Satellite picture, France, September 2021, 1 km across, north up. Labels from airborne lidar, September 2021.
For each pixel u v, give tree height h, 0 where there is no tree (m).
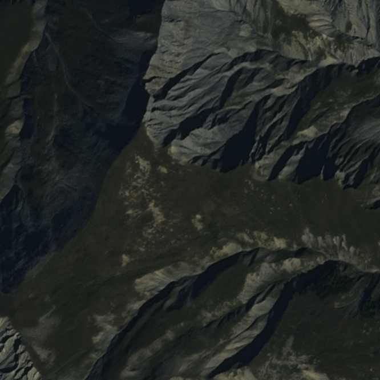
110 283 0
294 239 0
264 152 0
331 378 0
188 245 0
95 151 0
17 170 0
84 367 0
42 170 0
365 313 8
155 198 0
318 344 0
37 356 0
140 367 0
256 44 0
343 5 0
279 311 0
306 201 0
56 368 0
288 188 0
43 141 0
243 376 0
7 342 0
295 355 0
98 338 0
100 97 0
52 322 0
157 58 0
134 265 0
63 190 0
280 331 0
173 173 0
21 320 0
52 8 0
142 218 0
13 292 0
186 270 0
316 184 0
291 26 0
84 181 0
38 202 0
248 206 0
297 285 0
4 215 0
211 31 0
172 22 0
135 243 0
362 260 0
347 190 0
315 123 0
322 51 0
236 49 0
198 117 0
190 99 0
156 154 0
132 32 0
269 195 0
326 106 0
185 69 0
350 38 0
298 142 0
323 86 0
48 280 0
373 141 0
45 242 0
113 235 0
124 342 0
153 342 0
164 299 0
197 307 0
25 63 0
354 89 0
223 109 0
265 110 0
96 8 0
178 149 0
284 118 0
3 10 0
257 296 0
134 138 0
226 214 0
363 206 0
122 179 0
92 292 0
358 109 0
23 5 0
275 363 0
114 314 0
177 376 0
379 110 0
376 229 0
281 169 0
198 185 0
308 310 0
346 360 0
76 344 0
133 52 0
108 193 0
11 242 0
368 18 0
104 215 0
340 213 0
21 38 0
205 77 0
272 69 0
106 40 0
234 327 0
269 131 0
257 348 0
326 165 0
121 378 0
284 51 0
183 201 0
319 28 0
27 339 0
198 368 0
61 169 0
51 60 0
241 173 0
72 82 0
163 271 0
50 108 0
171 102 0
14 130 0
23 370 0
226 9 0
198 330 0
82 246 0
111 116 0
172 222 0
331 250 0
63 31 0
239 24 0
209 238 0
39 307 0
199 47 0
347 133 0
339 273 8
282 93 0
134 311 0
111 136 0
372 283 0
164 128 0
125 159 0
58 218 0
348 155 0
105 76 0
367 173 0
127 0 0
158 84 0
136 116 0
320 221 0
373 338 0
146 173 0
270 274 0
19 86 0
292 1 0
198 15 0
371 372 0
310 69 0
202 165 0
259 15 0
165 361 0
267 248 0
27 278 0
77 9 0
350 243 0
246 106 0
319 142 0
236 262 0
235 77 0
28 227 0
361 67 0
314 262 0
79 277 0
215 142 0
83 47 0
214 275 0
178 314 0
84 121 0
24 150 0
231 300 0
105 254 0
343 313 0
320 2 0
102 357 0
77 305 0
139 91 0
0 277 0
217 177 0
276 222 0
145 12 0
